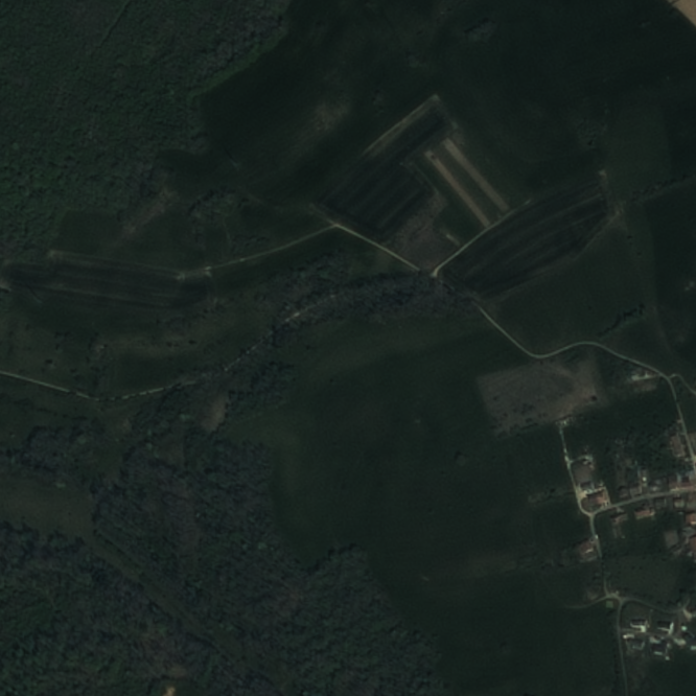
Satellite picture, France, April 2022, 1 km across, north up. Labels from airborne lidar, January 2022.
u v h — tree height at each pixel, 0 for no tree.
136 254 0
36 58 12
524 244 0
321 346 0
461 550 0
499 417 0
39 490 0
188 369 0
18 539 34
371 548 0
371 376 0
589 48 0
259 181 0
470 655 0
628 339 0
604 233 0
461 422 0
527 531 0
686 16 0
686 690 0
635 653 0
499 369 0
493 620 0
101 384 18
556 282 0
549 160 0
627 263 0
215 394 17
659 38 0
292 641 27
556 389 0
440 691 17
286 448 0
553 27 0
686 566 0
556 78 0
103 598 11
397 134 0
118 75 10
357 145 0
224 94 0
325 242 0
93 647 27
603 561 7
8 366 0
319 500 0
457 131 0
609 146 0
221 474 17
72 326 0
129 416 0
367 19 0
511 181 0
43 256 16
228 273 0
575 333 0
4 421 0
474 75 0
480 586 0
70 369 0
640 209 0
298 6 0
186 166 0
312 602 31
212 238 0
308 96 0
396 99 0
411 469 0
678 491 0
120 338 0
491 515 0
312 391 0
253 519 22
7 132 12
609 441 0
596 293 0
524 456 0
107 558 0
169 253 0
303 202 0
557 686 0
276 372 6
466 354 0
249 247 6
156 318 0
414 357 0
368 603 25
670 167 0
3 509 0
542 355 0
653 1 0
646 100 0
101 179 17
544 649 0
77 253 0
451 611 0
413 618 0
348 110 0
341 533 0
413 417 0
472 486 0
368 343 0
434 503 0
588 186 0
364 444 0
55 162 13
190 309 0
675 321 0
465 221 0
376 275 0
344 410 0
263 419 0
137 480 32
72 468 22
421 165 0
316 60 0
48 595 26
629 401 0
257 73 0
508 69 0
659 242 0
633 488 0
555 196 0
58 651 27
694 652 0
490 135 0
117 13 8
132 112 12
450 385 0
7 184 15
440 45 0
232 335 0
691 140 0
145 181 25
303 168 0
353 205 0
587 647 0
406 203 0
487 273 0
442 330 0
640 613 0
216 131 0
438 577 0
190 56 9
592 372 0
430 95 0
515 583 0
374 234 0
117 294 0
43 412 7
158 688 23
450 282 0
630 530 0
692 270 0
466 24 0
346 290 20
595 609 0
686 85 0
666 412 0
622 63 0
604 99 0
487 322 0
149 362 0
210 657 30
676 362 0
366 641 19
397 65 0
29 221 19
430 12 0
